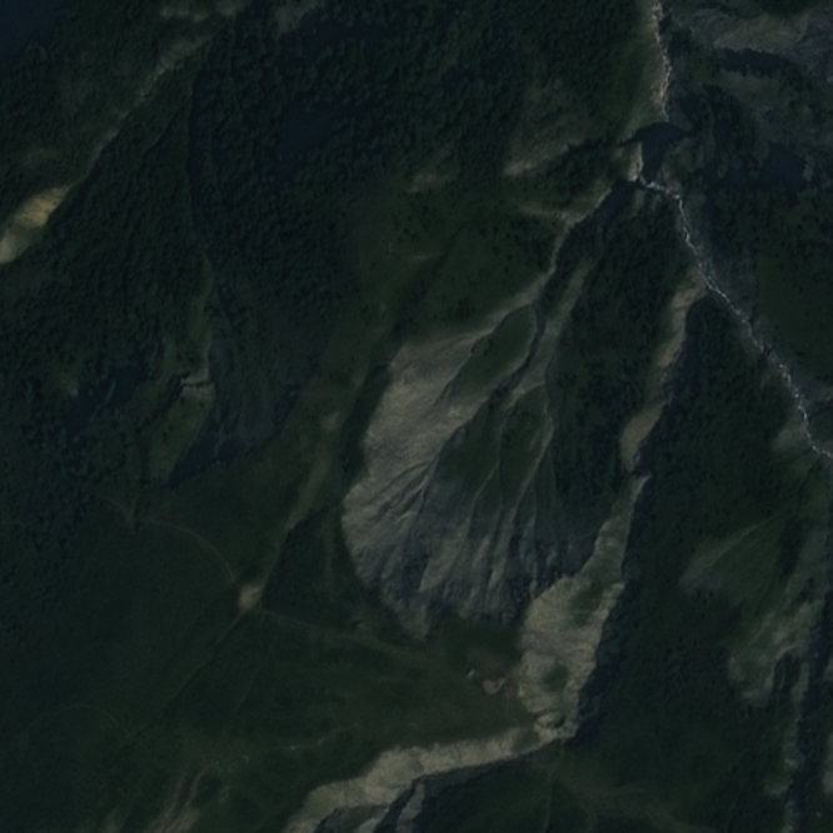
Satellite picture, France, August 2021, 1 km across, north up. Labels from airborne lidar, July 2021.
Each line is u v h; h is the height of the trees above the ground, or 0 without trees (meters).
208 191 11
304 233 6
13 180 7
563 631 0
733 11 10
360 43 20
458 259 0
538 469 0
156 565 0
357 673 0
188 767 0
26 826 0
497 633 0
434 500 0
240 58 13
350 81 17
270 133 16
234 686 0
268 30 10
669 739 0
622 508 0
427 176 0
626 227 6
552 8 10
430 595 0
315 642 0
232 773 0
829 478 0
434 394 0
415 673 0
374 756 0
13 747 0
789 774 0
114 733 0
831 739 0
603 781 0
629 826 0
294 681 0
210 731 0
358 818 0
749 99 0
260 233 11
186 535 0
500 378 0
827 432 0
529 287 0
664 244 13
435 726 0
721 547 0
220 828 0
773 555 0
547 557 0
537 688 0
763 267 0
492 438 0
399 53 16
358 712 0
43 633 0
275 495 0
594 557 0
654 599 0
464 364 0
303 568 0
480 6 7
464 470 0
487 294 0
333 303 10
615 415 14
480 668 0
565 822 0
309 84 20
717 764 0
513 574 0
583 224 0
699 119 17
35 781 0
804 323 0
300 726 0
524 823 0
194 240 9
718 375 9
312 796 0
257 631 0
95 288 12
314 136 13
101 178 11
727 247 14
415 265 0
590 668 0
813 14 0
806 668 0
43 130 7
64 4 10
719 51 0
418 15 8
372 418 0
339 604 0
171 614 0
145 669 0
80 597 0
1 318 6
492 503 0
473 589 0
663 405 0
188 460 0
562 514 0
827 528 0
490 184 6
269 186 10
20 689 0
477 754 0
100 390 6
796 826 0
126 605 0
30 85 17
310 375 0
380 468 0
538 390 0
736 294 0
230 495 0
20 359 6
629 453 0
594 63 10
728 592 0
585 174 17
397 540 0
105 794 0
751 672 0
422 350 0
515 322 0
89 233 9
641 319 11
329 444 0
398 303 0
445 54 10
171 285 11
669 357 0
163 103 6
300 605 0
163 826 0
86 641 0
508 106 15
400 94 15
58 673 0
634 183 0
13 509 6
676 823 0
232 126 15
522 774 0
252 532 0
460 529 0
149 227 13
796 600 0
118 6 14
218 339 0
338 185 9
